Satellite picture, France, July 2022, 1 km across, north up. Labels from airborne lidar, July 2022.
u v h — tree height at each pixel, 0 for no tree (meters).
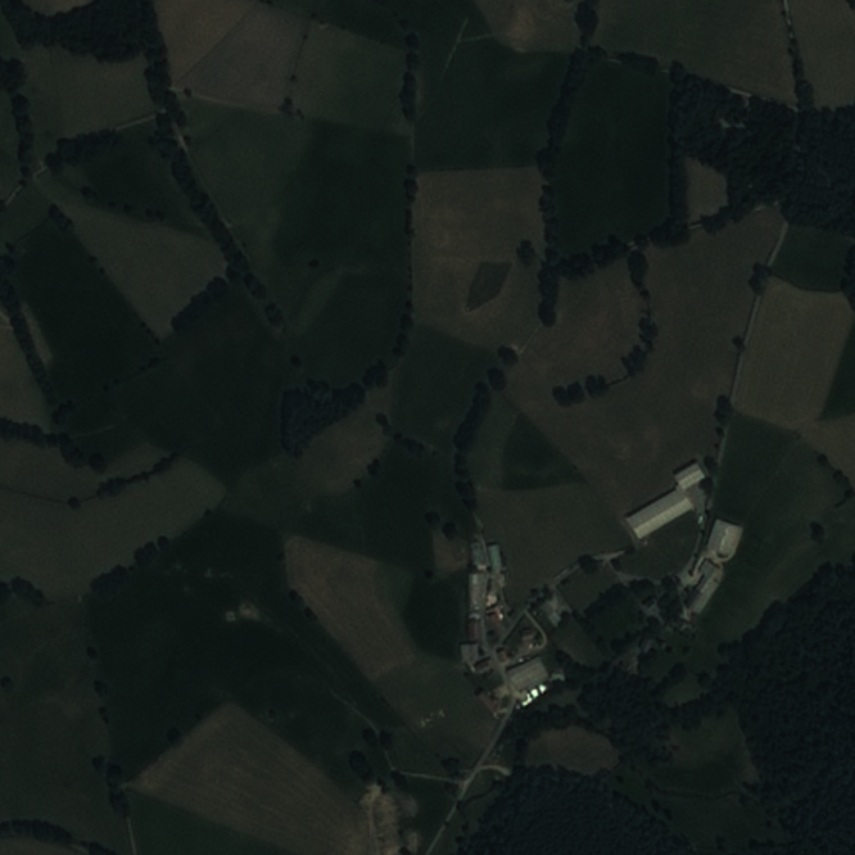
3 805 0
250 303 0
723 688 17
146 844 0
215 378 0
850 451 0
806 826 25
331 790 0
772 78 0
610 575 0
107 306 0
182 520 0
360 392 25
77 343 0
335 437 0
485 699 0
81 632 0
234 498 0
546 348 0
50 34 21
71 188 0
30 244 0
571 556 0
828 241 0
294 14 0
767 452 0
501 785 11
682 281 0
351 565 0
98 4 11
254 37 0
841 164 24
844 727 26
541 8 0
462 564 0
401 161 0
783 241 0
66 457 17
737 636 0
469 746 0
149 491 0
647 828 24
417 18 0
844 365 0
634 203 0
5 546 0
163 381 0
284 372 0
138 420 0
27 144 20
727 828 0
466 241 0
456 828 0
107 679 0
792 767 10
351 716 0
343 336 0
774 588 0
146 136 0
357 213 0
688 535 0
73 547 0
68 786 0
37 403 0
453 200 0
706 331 0
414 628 0
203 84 0
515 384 0
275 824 0
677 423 0
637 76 0
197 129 0
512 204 0
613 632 0
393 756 0
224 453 0
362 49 0
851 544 0
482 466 0
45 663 0
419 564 0
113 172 0
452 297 0
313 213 0
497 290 0
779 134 21
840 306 0
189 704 0
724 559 0
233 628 0
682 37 0
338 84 0
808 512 0
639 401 0
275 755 0
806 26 0
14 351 0
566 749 0
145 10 19
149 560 13
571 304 0
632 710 10
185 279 0
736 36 0
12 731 0
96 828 0
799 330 0
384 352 0
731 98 14
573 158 0
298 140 0
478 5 0
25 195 0
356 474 0
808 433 0
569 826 16
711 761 0
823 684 15
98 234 0
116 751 0
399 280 0
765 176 19
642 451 0
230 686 0
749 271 0
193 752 0
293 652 0
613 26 0
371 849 0
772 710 18
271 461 0
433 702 0
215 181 0
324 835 0
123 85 0
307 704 0
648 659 14
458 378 0
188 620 0
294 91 0
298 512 0
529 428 0
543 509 0
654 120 0
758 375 0
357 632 0
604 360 0
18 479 0
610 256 22
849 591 15
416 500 0
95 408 0
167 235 0
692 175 0
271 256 0
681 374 0
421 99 0
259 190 0
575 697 0
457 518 0
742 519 0
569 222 0
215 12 0
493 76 0
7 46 0
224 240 17
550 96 0
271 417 0
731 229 0
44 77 0
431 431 0
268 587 0
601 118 0
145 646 0
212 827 0
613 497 0
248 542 0
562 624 12
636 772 0
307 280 0
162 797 0
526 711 13
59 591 0
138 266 0
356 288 0
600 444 0
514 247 0
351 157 0
